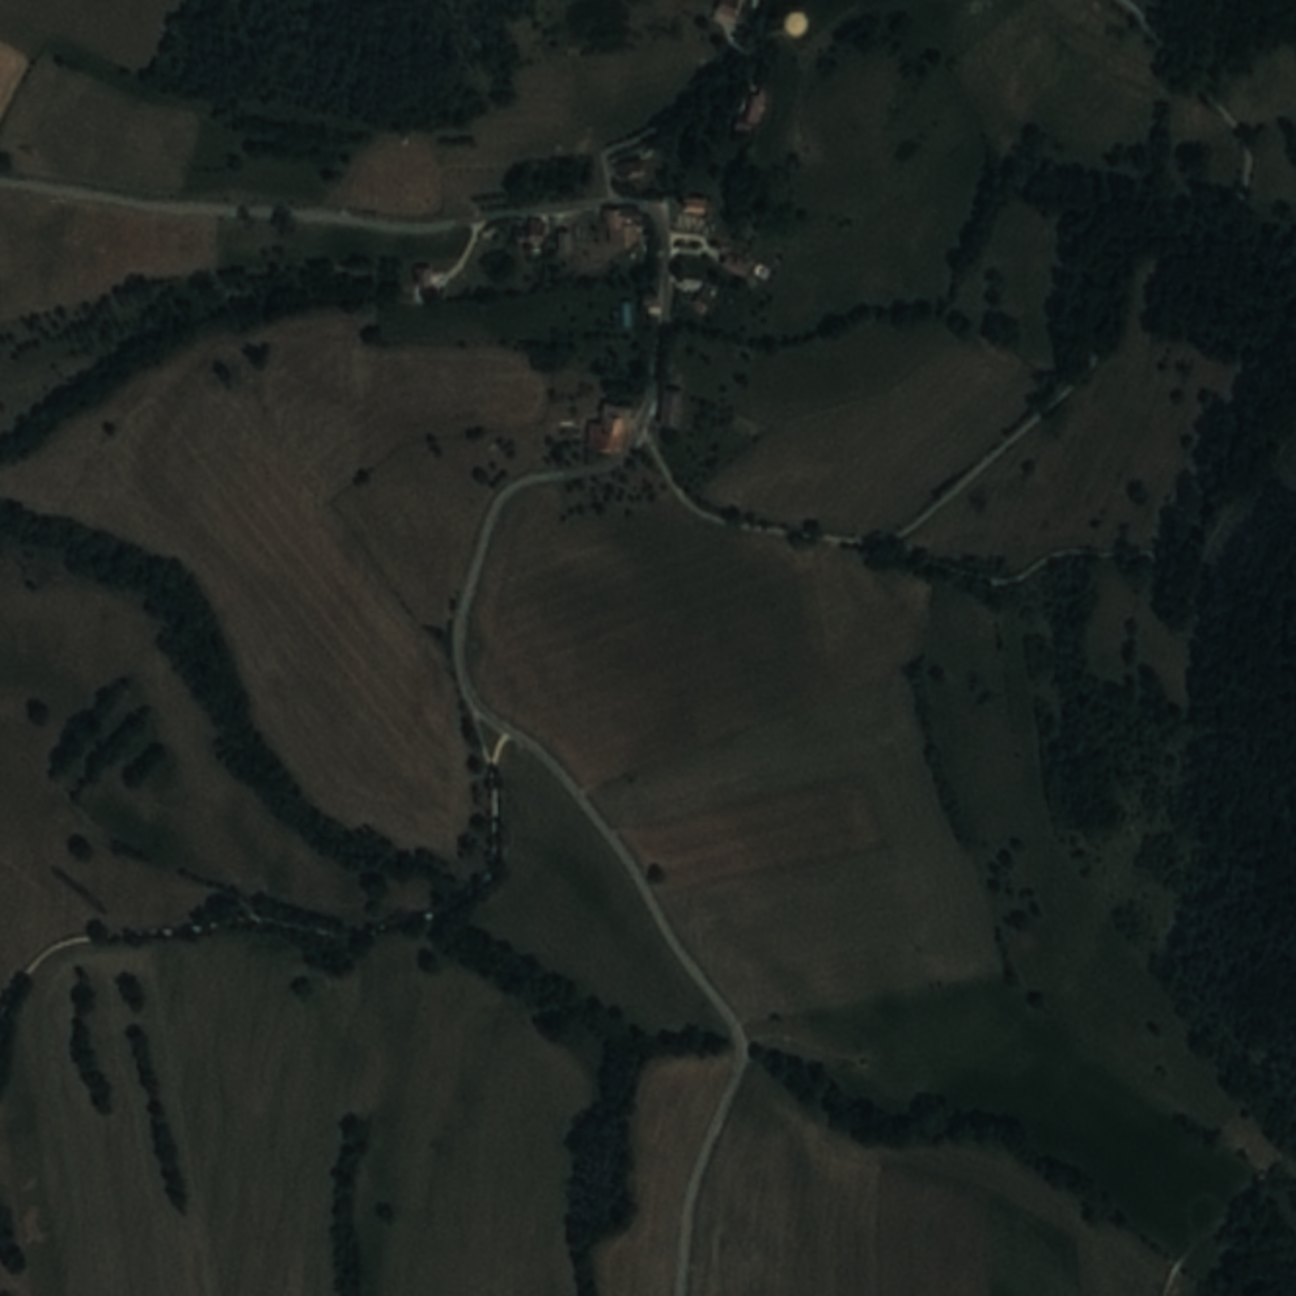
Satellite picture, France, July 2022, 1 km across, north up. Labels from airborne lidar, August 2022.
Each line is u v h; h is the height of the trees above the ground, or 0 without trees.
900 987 0
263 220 0
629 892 0
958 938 0
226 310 15
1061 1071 0
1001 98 0
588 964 0
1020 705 0
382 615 0
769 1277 0
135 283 17
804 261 0
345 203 0
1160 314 23
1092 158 0
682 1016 0
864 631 0
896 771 0
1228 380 0
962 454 0
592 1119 18
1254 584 22
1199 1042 16
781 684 0
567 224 0
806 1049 0
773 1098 0
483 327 0
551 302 0
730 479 0
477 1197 0
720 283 7
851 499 0
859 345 0
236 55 12
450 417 0
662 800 0
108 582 16
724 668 0
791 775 0
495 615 0
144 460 0
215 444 0
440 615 0
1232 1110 0
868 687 0
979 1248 0
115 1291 0
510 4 15
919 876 0
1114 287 19
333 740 0
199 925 12
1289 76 0
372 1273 0
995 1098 0
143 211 0
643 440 0
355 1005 0
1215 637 24
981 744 0
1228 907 21
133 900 0
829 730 0
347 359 0
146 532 0
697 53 0
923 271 0
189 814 0
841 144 0
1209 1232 0
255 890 0
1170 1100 0
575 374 0
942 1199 0
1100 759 17
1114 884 0
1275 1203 12
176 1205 12
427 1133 0
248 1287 0
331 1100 0
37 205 0
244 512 0
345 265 7
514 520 0
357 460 0
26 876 0
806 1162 0
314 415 0
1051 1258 0
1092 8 0
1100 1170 0
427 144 0
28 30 0
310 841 7
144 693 0
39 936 0
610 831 0
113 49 0
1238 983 25
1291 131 20
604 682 0
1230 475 25
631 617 0
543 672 0
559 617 0
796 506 0
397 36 17
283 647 0
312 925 13
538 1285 0
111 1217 0
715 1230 0
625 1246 0
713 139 13
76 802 6
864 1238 0
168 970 0
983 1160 0
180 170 0
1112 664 0
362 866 11
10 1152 0
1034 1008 11
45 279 0
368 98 17
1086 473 0
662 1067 0
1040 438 0
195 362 0
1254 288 16
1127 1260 0
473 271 0
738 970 0
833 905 0
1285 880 23
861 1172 0
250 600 0
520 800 0
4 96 0
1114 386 0
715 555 0
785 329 0
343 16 18
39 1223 0
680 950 0
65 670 0
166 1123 12
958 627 0
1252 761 20
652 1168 0
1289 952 24
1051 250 0
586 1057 0
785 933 0
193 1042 0
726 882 0
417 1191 0
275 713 0
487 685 0
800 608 0
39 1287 0
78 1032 12
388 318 0
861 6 0
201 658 14
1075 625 15
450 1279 0
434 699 0
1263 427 21
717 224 0
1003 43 0
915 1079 0
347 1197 6
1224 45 25
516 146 0
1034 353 0
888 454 0
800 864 0
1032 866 0
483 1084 0
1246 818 20
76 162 0
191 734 0
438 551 0
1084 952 0
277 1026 0
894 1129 20
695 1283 0
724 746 0
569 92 0
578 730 0
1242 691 21
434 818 0
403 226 0
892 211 0
